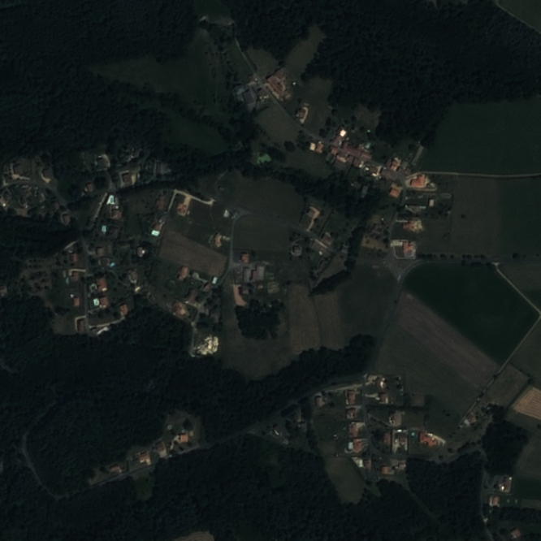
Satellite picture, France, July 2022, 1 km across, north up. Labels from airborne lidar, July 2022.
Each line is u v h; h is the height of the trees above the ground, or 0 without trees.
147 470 0
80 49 21
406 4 17
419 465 20
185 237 0
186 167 18
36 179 0
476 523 17
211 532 16
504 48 16
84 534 18
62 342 9
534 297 0
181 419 0
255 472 11
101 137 20
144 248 13
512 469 8
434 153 0
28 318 11
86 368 16
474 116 0
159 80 0
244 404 18
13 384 23
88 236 15
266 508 22
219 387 16
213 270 0
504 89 14
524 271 0
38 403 22
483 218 0
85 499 18
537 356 0
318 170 0
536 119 0
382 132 15
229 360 0
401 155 0
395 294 0
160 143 25
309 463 21
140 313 16
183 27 17
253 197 0
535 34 14
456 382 0
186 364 17
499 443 13
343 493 0
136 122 31
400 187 0
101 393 30
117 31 18
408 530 22
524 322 0
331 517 26
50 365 14
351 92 17
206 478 25
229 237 0
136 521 31
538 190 0
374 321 0
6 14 15
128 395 28
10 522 21
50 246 16
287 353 0
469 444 10
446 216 9
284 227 0
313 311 0
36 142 24
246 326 16
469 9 15
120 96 12
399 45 6
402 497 16
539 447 0
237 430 12
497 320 0
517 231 0
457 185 0
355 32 34
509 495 0
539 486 0
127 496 24
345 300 0
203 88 0
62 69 18
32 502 16
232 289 0
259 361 0
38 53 15
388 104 15
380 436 6
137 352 17
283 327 0
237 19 14
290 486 11
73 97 22
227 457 11
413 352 0
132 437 10
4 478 8
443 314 0
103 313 13
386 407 7
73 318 0
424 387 0
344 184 13
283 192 0
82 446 14
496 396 0
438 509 17
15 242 11
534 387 0
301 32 14
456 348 0
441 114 20
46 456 11
